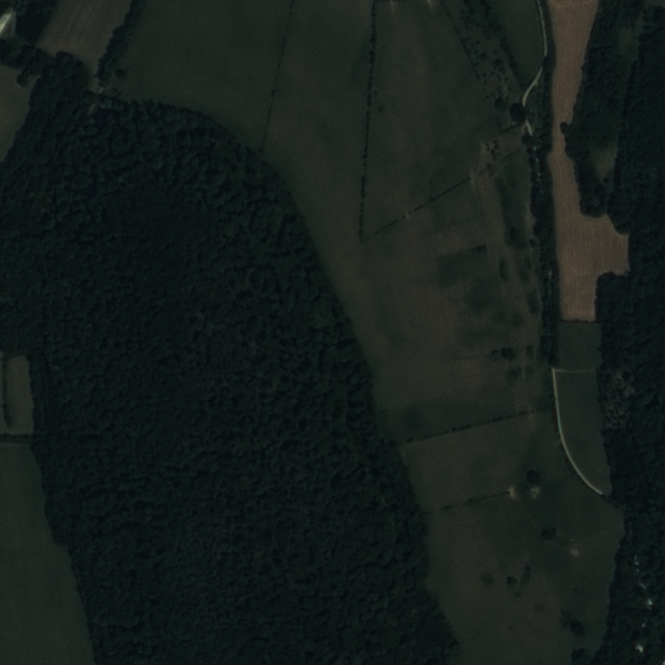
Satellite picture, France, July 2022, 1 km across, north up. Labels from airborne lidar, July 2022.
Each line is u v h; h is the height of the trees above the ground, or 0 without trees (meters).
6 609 0
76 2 0
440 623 25
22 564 0
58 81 21
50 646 0
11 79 0
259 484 25
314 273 22
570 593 0
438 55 0
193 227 17
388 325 0
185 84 0
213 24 0
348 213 0
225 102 0
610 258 0
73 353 26
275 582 24
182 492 23
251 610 23
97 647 8
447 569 0
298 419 7
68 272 22
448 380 0
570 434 0
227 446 28
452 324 0
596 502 0
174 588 21
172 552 20
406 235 0
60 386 28
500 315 0
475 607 0
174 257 22
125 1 0
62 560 0
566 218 0
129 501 34
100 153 32
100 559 31
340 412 33
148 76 0
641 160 20
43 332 27
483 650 0
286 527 24
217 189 34
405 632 24
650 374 24
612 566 0
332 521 22
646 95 21
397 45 0
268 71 0
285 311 35
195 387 21
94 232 31
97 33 0
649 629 22
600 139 7
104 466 31
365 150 6
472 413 0
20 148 22
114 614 29
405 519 21
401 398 0
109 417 37
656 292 26
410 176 0
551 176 0
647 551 12
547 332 6
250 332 25
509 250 0
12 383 0
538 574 0
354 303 0
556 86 0
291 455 25
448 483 0
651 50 24
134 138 32
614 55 10
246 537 20
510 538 0
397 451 19
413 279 0
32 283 25
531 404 0
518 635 0
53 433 14
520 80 11
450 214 0
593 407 0
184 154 26
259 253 33
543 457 0
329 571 22
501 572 0
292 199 19
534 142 17
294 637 25
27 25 18
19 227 20
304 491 21
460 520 0
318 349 32
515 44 0
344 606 20
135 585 25
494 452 0
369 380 26
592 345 0
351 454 35
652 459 23
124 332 29
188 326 26
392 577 26
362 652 27
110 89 0
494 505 0
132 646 6
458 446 0
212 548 17
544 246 11
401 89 0
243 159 26
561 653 0
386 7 0
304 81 0
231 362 25
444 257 0
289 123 0
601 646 0
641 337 24
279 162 0
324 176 0
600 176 0
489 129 0
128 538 29
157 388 19
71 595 0
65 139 26
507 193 0
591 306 0
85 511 26
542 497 0
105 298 31
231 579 14
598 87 16
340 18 0
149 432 26
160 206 20
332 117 0
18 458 0
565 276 0
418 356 0
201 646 17
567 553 0
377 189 0
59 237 27
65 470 27
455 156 0
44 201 12
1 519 0
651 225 22
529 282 0
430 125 0
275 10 0
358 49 0
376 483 24
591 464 0
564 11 0
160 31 0
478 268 0
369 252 0
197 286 21
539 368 0
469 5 15
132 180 29
